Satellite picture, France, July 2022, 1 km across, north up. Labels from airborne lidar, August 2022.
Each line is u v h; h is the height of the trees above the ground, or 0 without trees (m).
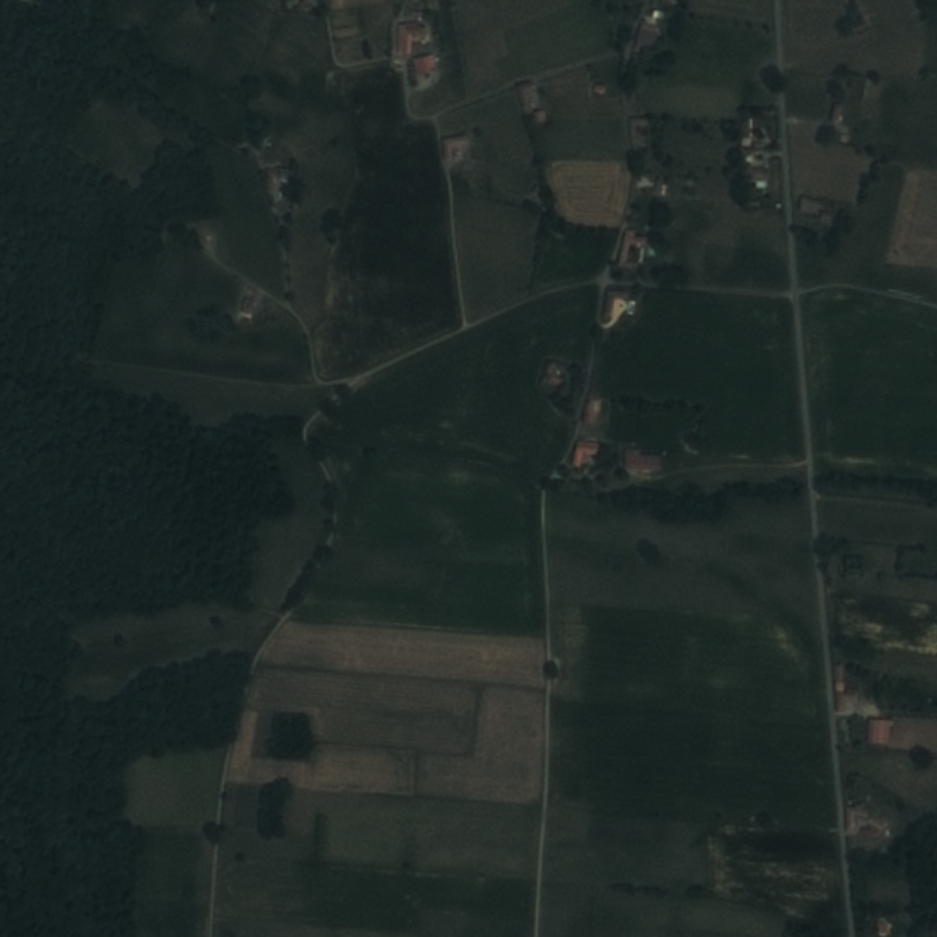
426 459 0
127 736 23
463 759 0
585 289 0
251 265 0
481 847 0
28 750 22
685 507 23
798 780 0
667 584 0
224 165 0
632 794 0
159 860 0
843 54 0
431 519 0
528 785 0
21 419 21
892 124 0
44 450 26
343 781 0
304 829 0
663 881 0
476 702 0
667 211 22
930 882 17
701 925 0
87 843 29
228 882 0
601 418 0
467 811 0
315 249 0
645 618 0
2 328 24
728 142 7
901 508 0
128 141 0
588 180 0
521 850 0
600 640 0
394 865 0
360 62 0
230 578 20
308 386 0
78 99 21
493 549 0
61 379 22
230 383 0
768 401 0
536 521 0
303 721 13
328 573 0
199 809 0
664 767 0
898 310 0
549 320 0
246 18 0
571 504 0
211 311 17
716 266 0
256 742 0
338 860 0
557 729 0
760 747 0
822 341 0
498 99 0
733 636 0
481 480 0
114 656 0
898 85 0
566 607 0
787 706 0
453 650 0
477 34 0
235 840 0
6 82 21
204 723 22
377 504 0
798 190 0
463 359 0
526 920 0
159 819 0
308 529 0
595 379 0
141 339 0
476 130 7
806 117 0
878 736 0
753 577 0
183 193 13
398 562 0
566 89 0
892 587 0
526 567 0
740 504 0
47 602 17
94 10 24
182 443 14
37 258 21
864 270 0
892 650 0
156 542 21
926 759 20
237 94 0
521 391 0
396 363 0
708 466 0
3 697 24
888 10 0
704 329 0
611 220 0
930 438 0
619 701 0
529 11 0
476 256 0
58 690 17
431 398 0
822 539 13
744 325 0
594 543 0
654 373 0
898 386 0
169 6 0
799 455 0
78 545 17
